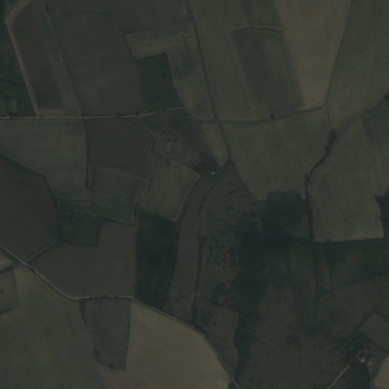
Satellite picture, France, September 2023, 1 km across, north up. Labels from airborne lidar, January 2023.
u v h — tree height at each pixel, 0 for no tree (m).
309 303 0
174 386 0
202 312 0
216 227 0
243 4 0
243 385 0
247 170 0
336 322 0
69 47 0
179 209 0
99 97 0
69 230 17
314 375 0
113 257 0
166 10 0
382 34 0
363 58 0
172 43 0
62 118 0
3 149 0
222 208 0
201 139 0
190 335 0
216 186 0
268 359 0
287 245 13
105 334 0
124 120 0
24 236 0
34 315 0
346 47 0
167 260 0
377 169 0
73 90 0
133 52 0
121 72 0
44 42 0
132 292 0
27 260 0
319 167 0
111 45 0
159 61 0
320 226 0
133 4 0
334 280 0
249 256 19
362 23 0
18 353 0
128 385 0
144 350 0
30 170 0
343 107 0
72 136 0
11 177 0
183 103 0
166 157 0
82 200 0
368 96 0
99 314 0
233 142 0
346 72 0
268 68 0
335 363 0
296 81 0
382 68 0
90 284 0
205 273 0
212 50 0
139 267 0
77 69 0
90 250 0
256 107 0
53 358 0
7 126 0
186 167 0
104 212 0
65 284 0
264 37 0
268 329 0
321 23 0
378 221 0
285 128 0
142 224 0
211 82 0
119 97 0
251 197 0
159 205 0
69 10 0
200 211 0
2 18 0
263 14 0
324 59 0
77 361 0
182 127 0
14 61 0
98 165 0
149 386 0
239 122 0
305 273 0
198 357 0
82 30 0
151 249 0
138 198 0
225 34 0
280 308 0
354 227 0
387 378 0
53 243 0
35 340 0
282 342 0
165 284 0
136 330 0
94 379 0
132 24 0
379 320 0
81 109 0
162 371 0
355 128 0
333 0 0
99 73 0
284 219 31
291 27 0
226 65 0
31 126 0
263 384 0
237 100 0
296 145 0
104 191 0
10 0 12
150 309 0
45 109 0
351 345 6
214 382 0
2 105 0
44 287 0
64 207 0
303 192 0
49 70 0
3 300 0
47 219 0
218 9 0
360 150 0
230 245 0
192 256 0
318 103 0
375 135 0
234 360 0
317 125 0
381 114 0
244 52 0
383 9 0
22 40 0
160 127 0
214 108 0
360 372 11
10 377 0
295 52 0
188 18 0
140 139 0
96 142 0
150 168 0
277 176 0
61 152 0
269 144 0
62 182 0
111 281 0
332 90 0
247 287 10
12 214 0
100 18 0
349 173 0
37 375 0
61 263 0
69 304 0
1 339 0
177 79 0
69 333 0
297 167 0
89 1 0
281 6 0
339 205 0
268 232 31
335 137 18
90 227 0
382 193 0
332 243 10
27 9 0
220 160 0
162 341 0
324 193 0
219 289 14
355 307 0
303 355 0
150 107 0
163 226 0
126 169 0
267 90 0
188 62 0
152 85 0
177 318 0
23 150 0
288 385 0
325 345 0
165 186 0
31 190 0
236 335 6
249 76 0
